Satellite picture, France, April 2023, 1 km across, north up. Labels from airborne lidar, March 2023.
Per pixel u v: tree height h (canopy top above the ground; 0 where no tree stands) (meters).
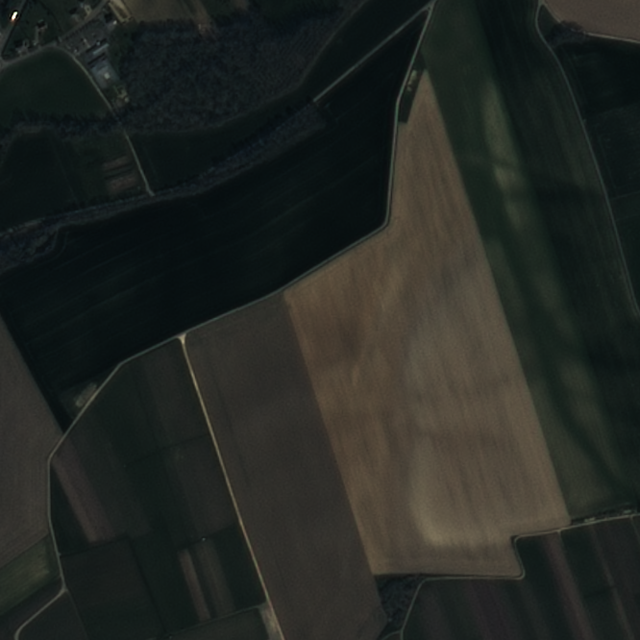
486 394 0
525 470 0
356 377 0
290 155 0
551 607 0
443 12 0
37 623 0
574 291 0
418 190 0
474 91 0
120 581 0
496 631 0
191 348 0
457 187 0
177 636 0
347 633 0
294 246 0
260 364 0
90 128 17
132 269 0
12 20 0
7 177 0
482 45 0
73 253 0
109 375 0
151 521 0
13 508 0
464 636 0
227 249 0
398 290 0
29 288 0
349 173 0
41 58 0
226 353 0
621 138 0
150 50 17
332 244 0
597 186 0
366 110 0
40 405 0
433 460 0
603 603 0
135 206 11
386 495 0
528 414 0
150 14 0
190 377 0
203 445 0
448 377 0
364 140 0
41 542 0
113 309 0
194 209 0
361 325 0
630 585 0
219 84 27
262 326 0
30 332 0
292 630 0
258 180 0
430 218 0
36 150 0
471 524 0
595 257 0
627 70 0
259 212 0
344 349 0
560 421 0
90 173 0
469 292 0
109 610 0
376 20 0
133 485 0
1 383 0
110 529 0
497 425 0
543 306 0
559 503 0
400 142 0
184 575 0
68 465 0
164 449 0
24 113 0
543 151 0
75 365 0
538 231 0
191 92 21
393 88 0
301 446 0
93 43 0
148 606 0
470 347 0
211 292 0
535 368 0
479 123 0
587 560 0
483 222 0
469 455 0
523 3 0
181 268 0
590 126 0
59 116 0
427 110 0
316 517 0
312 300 0
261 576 0
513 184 0
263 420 0
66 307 0
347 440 0
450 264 0
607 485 0
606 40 0
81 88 0
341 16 27
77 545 0
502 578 0
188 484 0
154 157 0
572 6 0
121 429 0
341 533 0
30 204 0
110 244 0
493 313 0
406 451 0
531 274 0
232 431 0
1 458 0
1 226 0
